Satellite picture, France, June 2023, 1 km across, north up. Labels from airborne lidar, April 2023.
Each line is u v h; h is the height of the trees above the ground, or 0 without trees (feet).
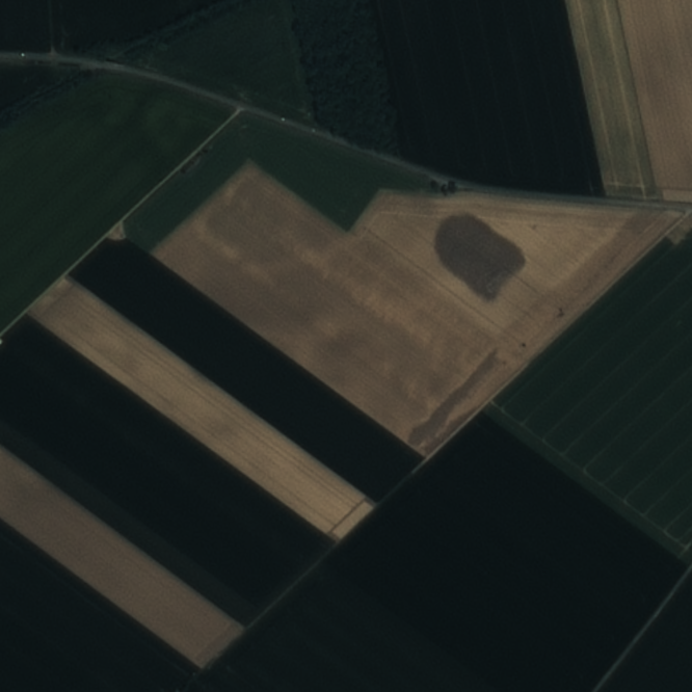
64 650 0
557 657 0
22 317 0
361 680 0
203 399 0
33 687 0
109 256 0
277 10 0
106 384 0
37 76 0
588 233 0
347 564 0
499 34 0
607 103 0
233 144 0
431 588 0
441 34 0
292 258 0
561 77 0
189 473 0
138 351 0
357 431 0
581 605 0
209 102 0
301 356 0
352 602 0
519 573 0
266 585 0
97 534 0
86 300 0
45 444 0
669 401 0
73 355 0
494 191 0
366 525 0
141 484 0
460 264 0
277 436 0
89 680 0
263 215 0
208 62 0
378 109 72
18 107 27
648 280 0
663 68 0
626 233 0
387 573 0
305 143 0
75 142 0
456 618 0
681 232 0
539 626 0
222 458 0
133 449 0
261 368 0
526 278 0
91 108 0
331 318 0
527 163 0
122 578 0
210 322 0
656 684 0
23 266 0
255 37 0
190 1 0
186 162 0
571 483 0
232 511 0
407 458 0
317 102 52
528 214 0
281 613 0
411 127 0
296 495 0
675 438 0
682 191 0
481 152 0
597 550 0
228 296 0
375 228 0
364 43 75
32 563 0
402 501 0
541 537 0
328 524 0
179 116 0
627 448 0
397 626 0
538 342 0
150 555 0
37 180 0
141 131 0
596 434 0
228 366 0
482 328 0
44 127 0
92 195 0
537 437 0
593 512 0
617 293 0
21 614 0
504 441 0
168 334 0
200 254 0
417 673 0
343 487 0
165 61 0
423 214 0
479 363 0
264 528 0
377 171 0
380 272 0
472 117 0
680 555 0
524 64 0
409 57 0
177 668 0
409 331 0
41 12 0
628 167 0
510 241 0
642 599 0
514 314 0
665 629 0
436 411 0
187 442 0
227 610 0
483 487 0
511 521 0
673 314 0
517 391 0
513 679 0
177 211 0
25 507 0
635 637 0
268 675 0
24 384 0
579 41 0
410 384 0
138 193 0
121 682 0
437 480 0
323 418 0
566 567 0
